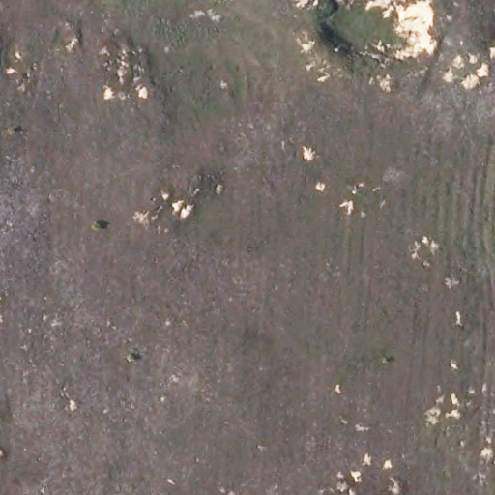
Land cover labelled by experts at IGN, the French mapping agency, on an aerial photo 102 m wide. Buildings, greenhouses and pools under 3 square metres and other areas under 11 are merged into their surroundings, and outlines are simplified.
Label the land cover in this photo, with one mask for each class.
<instances>
[{"label":"herbaceous vegetation","instance_id":"1","mask_svg":"<svg viewBox=\"0 0 495 495\"><path fill-rule=\"evenodd\" d=\"M369 0H0V495H495V0H435L431 4L433 23L429 27V37L431 41H435L433 52L423 50L412 58H396V50H404L408 46V41L396 33L398 14L391 12L389 17H383V8L367 10L365 4ZM481 66H487V75H483V77H481L480 81H478V83H476L474 87L466 89V87H464V79H466L468 75H472V73L478 72ZM423 238L437 242L439 247L435 251H431L429 247H420L418 259H412L414 242Z\"/></svg>","mask_w":495,"mask_h":495},{"label":"bare soil","instance_id":"2","mask_svg":"<svg viewBox=\"0 0 495 495\"><path fill-rule=\"evenodd\" d=\"M435 0H369L365 4L367 10L383 8V17H389L391 12L398 14L396 33L408 41V46L404 50H396V58H412L423 50L433 52L435 41H431L429 37V27L433 23L431 4ZM483 75H487V66H481L478 72L472 73V75H468L466 79H464V87H466V89L474 87L476 83H478V81H480L481 77H483ZM429 247L431 251H435L439 247L437 242L423 238L414 242L412 259H418L420 247Z\"/></svg>","mask_w":495,"mask_h":495}]
</instances>
